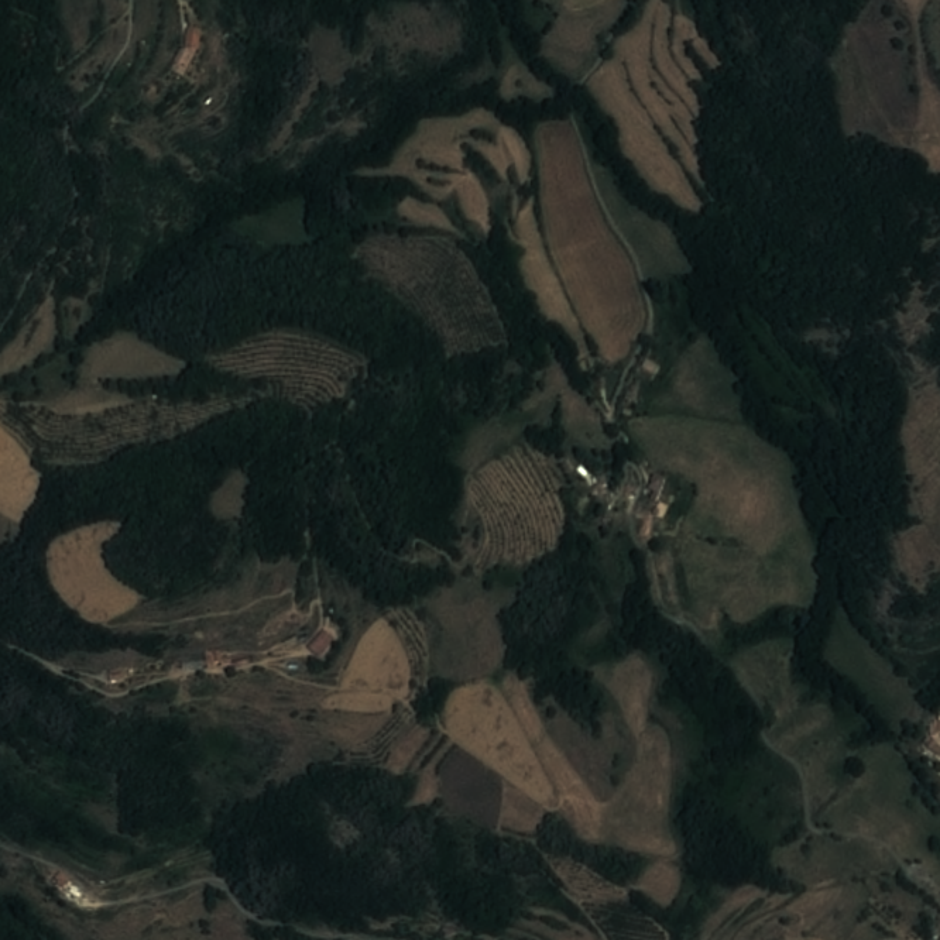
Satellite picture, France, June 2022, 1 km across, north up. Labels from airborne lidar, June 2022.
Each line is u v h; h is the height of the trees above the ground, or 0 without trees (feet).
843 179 44
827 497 45
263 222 0
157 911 0
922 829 0
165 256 45
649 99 0
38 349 0
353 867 37
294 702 0
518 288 54
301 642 0
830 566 78
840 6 30
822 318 25
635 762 0
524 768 0
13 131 25
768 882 48
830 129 37
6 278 21
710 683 25
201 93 21
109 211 21
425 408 31
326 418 22
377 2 40
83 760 33
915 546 0
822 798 0
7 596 43
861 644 0
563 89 90
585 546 26
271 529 59
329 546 58
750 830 23
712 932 0
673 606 0
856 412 46
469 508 0
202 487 48
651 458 0
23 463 0
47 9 35
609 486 26
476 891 28
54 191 49
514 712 0
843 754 0
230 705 0
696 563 0
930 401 0
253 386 30
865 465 46
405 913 35
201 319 63
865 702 59
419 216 0
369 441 59
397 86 25
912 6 0
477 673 0
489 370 52
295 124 23
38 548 42
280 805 31
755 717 41
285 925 46
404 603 33
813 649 85
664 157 0
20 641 40
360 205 43
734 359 63
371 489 37
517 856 32
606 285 0
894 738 52
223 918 0
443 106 34
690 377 0
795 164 31
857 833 0
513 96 0
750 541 0
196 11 25
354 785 37
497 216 36
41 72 38
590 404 42
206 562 32
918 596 21
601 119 55
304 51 23
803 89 34
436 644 0
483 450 0
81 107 35
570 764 0
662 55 0
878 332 32
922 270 44
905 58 0
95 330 65
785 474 0
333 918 34
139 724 39
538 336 57
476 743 0
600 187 0
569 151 0
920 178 46
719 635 0
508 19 65
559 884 29
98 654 33
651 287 37
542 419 0
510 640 34
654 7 0
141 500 60
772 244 44
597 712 52
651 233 0
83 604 0
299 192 44
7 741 26
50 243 44
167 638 18
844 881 0
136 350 0
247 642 0
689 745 0
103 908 0
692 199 0
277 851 44
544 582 41
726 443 0
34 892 0
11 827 25
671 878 0
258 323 54
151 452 52
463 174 0
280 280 73
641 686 0
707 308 72
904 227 38
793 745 0
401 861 23
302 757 0
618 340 0
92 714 30
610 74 0
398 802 26
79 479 49
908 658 0
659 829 0
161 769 38
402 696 0
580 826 0
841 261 45
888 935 21
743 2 31
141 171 24
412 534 40
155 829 47
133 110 35
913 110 0
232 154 38
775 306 72
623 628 21
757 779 0
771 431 71
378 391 41
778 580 0
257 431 54
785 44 37
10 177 43
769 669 0
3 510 0
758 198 43
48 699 49
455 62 33
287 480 77
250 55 31
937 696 44
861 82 0
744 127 40
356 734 0
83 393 0
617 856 42
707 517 0
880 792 0
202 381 60
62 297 31
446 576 36
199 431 42
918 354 24
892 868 0
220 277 73
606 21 0
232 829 36
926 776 49
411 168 0
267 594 0
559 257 0
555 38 0
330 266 54
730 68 22
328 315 55
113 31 0
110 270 23
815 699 24
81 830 18
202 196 32
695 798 21
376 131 25
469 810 0
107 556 44
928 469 0
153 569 47
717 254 54
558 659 24
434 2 23
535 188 25
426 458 39
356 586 50
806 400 23
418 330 29
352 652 0
